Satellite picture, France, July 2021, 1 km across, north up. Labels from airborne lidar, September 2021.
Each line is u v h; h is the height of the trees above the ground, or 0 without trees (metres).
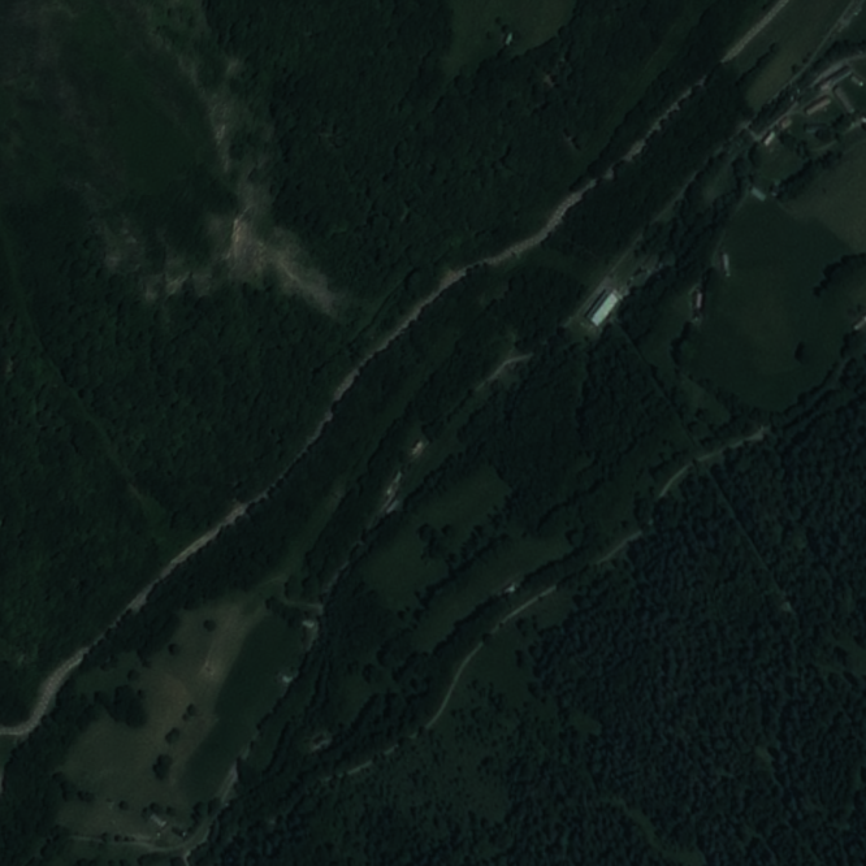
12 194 0
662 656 21
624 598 20
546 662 19
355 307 9
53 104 0
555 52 24
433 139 26
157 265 7
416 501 23
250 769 19
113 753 0
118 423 19
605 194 19
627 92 28
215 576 17
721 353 0
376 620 23
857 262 19
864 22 0
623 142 16
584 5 14
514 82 28
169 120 0
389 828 14
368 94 31
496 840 13
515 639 0
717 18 19
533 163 32
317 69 32
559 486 28
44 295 8
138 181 0
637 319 25
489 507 0
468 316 6
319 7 29
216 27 9
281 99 12
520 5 0
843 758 22
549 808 18
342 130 29
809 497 32
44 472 28
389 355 20
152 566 24
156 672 0
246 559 20
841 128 11
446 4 18
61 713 26
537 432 31
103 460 23
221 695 0
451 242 26
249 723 0
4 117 0
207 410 29
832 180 0
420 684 20
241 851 14
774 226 0
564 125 33
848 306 0
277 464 28
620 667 16
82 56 0
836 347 0
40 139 0
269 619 0
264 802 12
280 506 27
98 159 0
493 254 22
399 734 13
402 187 34
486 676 0
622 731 24
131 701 20
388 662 23
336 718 18
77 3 0
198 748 0
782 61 0
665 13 31
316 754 10
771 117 9
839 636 14
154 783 0
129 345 30
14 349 26
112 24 0
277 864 32
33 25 0
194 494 10
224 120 6
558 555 0
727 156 13
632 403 20
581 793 34
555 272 14
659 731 30
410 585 0
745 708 20
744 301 0
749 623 17
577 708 8
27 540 29
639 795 30
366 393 26
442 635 0
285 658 0
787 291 0
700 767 13
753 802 21
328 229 31
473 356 21
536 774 23
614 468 22
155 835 0
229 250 19
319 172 36
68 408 41
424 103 18
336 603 20
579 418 8
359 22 32
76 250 26
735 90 24
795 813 29
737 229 0
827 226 0
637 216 17
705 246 24
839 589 18
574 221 16
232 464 32
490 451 31
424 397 13
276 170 14
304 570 7
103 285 16
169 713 0
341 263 8
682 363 21
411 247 29
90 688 0
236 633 0
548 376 21
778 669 19
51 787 25
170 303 11
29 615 26
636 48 35
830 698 19
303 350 31
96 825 0
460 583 18
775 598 20
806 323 0
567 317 11
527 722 14
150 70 0
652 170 22
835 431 18
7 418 18
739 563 27
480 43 0
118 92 0
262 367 27
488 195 27
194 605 21
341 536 13
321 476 24
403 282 7
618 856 27
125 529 33
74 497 28
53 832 17
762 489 22
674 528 16
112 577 32
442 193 30
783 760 30
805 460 28
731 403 16
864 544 19
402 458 14
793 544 34
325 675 12
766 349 0
